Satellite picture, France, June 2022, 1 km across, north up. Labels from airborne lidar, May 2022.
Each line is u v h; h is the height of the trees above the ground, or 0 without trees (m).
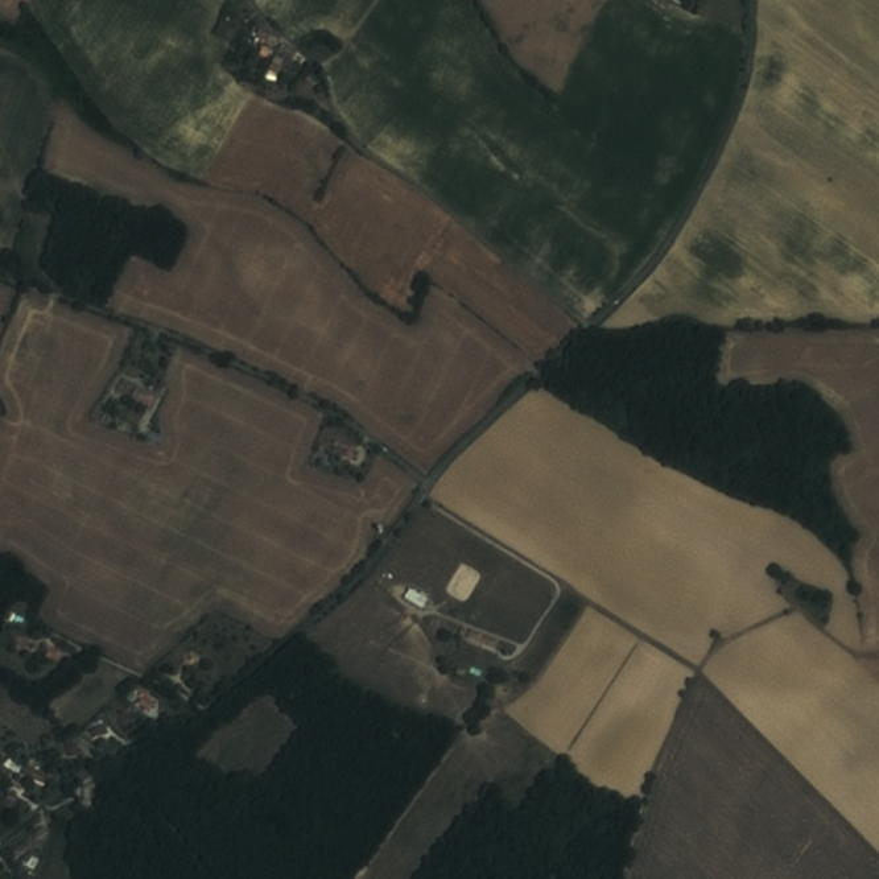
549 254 0
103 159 0
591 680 0
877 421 0
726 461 11
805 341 0
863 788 0
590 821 5
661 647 0
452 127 0
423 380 0
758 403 13
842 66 0
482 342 0
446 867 22
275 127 0
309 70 10
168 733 16
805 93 0
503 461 0
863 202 0
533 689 0
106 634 0
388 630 0
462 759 0
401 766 16
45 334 0
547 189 0
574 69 0
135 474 0
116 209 15
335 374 0
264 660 9
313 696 13
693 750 0
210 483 0
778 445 10
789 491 13
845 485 0
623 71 0
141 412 10
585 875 9
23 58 0
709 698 0
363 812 16
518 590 0
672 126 0
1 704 0
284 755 16
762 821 0
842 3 0
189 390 0
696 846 0
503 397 8
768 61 0
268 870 15
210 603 0
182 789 19
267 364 0
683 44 0
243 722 0
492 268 0
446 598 0
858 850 0
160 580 0
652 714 0
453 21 0
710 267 0
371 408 0
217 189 0
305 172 0
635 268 0
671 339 19
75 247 14
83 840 19
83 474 0
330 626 0
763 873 0
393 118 0
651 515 0
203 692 11
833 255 0
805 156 0
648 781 10
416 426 0
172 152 0
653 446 13
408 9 0
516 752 0
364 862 13
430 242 0
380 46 0
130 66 0
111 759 15
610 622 0
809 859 0
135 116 0
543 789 14
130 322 11
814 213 0
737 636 0
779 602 0
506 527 0
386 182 0
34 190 18
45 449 0
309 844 15
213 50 0
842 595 0
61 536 0
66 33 0
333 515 0
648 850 0
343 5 0
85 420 0
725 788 0
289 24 0
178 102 0
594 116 0
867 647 0
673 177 0
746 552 0
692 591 0
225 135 0
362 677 0
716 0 0
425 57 0
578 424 0
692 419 21
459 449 0
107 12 0
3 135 0
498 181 0
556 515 0
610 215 0
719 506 0
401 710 13
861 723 0
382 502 0
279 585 0
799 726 0
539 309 0
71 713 0
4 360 0
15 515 0
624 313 0
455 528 0
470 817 17
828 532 7
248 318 0
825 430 10
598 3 0
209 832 16
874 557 0
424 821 0
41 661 7
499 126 0
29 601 8
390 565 0
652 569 0
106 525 0
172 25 0
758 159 0
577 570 0
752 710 0
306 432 0
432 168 0
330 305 0
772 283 0
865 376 0
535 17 0
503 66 0
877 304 0
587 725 0
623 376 15
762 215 0
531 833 24
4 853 7
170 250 14
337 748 15
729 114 0
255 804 17
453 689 0
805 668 0
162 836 12
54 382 0
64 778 13
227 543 0
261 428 0
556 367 14
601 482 0
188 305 0
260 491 0
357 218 0
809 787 0
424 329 0
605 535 0
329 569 0
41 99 0
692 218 0
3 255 15
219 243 0
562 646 0
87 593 0
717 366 10
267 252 0
